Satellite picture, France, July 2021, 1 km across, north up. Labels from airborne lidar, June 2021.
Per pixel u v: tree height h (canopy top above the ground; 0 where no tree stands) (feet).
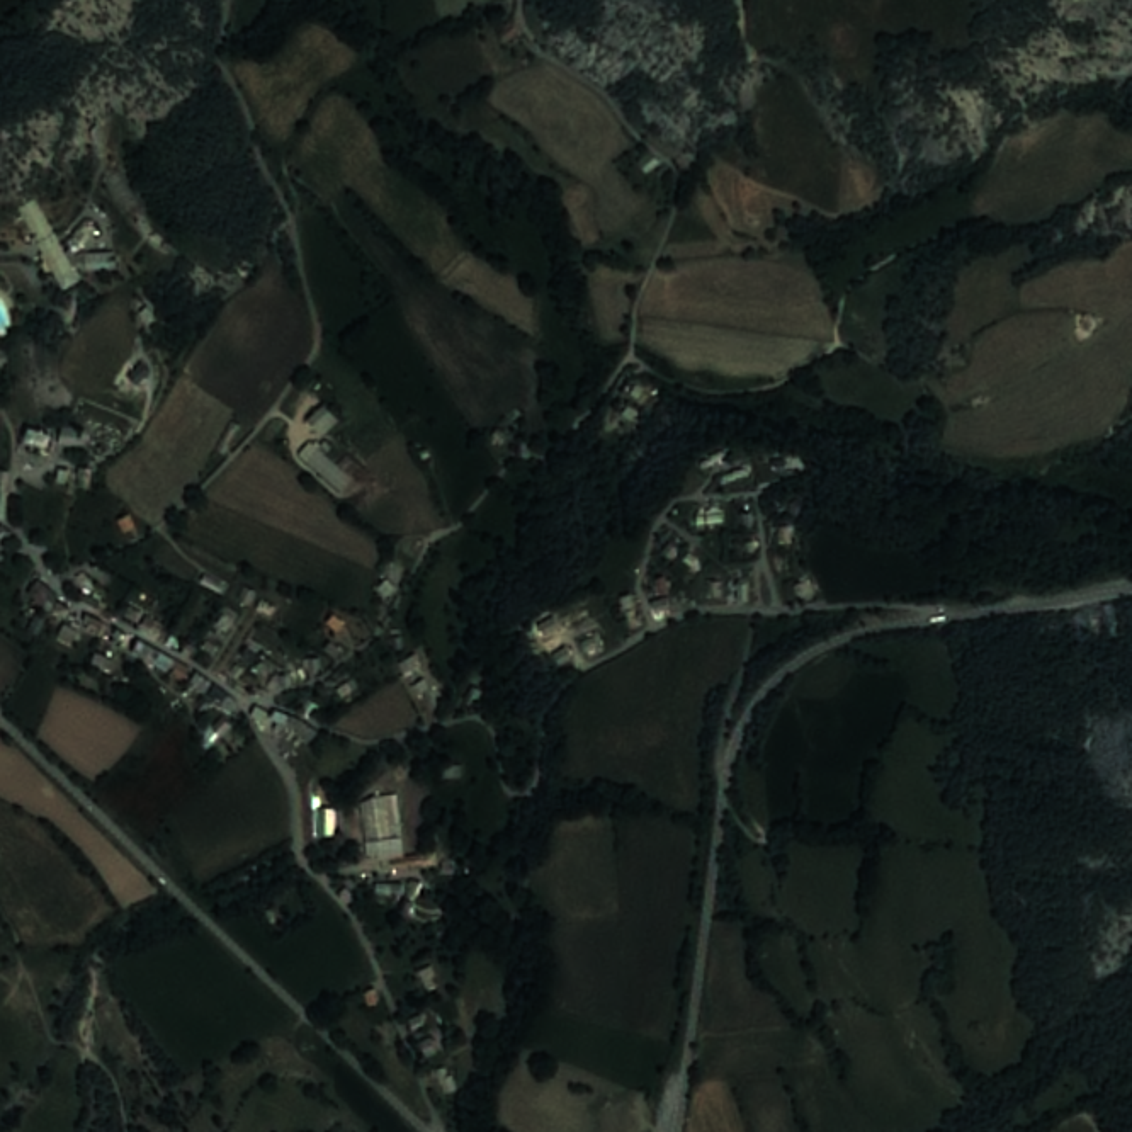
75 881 0
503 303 0
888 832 57
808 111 0
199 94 36
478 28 19
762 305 0
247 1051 50
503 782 33
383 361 0
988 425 0
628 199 0
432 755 55
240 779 0
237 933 0
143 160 37
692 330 0
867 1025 0
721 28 20
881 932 0
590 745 0
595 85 0
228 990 0
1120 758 0
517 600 51
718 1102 0
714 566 0
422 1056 51
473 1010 0
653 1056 0
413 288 0
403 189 0
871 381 0
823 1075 0
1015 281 21
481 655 66
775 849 19
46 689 0
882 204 32
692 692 0
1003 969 0
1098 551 41
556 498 54
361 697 25
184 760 0
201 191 24
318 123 0
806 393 42
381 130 61
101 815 0
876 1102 0
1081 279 0
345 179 0
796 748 0
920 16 0
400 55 33
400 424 0
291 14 58
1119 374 0
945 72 18
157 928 63
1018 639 48
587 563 24
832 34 0
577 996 0
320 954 0
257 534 0
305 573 0
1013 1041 0
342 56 0
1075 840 28
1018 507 75
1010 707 31
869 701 0
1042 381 0
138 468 0
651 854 0
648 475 44
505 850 59
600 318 0
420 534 0
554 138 0
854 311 0
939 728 28
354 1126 0
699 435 70
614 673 0
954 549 90
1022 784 40
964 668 41
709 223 0
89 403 0
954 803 34
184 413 0
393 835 0
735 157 0
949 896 0
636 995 0
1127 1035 24
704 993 0
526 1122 0
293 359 0
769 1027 0
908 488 106
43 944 0
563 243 65
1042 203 0
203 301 24
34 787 0
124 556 40
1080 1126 0
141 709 37
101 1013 0
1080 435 0
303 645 26
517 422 22
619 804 55
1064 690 41
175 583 36
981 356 0
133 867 0
